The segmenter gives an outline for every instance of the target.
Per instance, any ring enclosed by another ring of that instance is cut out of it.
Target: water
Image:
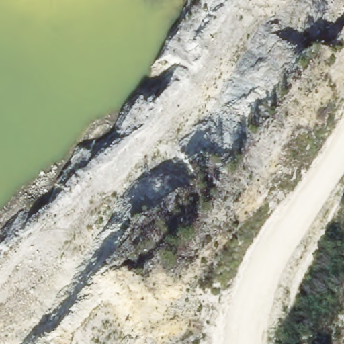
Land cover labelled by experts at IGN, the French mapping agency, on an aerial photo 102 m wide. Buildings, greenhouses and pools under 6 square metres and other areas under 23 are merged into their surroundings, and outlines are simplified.
[[[85,133],[94,122],[117,113],[121,103],[136,89],[142,78],[153,77],[155,54],[173,20],[179,15],[183,0],[0,0],[0,214],[11,210],[13,198],[20,189],[35,184],[40,172],[50,172],[55,165],[58,172],[66,161],[71,163],[71,157],[81,149],[78,142],[87,140]]]

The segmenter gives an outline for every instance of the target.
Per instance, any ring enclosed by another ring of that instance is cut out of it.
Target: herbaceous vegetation
[[[198,219],[193,223],[193,227],[179,228],[173,236],[165,231],[156,245],[149,250],[155,254],[153,258],[145,263],[142,269],[133,270],[134,273],[149,278],[156,265],[163,267],[165,274],[177,267],[188,269],[191,262],[177,261],[173,254],[187,250],[195,235],[204,230],[208,211],[214,207],[212,200],[198,204]]]
[[[301,281],[290,313],[278,320],[275,344],[308,344],[308,340],[301,340],[302,335],[312,333],[312,336],[316,337],[321,332],[331,335],[332,344],[344,344],[344,199],[341,198],[339,211],[318,241],[312,265]]]
[[[282,146],[282,150],[286,152],[284,167],[290,168],[290,173],[282,173],[271,180],[269,189],[294,191],[302,179],[302,169],[310,168],[335,129],[335,114],[344,103],[344,98],[337,95],[335,87],[332,89],[331,99],[327,103],[321,103],[320,109],[317,110],[313,128],[306,125],[294,126],[288,136],[288,144]]]
[[[231,239],[228,239],[223,249],[214,254],[218,265],[214,265],[214,282],[223,284],[236,277],[247,249],[254,238],[257,238],[263,224],[270,218],[269,206],[262,204],[253,212],[251,218],[245,220],[241,230],[236,231]]]

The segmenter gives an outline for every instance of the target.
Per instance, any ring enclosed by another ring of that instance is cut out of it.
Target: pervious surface
[[[271,180],[282,173],[290,173],[290,168],[284,167],[286,152],[282,150],[282,146],[288,144],[288,136],[294,126],[306,125],[313,128],[317,110],[320,109],[321,103],[327,103],[331,99],[332,89],[335,87],[337,95],[344,98],[344,0],[183,0],[179,15],[173,20],[155,54],[153,77],[142,78],[136,89],[121,103],[117,113],[94,122],[85,133],[87,140],[78,142],[81,149],[71,157],[71,163],[66,161],[58,172],[55,165],[50,172],[40,172],[35,184],[20,189],[13,198],[11,210],[0,214],[0,344],[275,344],[278,320],[290,313],[301,281],[312,265],[318,241],[339,211],[341,198],[344,199],[344,103],[335,114],[335,129],[310,168],[302,169],[302,179],[294,191],[269,189]],[[187,250],[173,254],[177,261],[191,262],[188,269],[177,267],[165,274],[163,267],[156,265],[149,278],[134,273],[133,270],[142,269],[145,263],[153,258],[155,254],[149,250],[156,245],[165,231],[173,236],[179,228],[193,227],[193,223],[198,219],[198,204],[212,200],[214,207],[208,211],[204,230],[195,235]],[[251,218],[253,212],[262,204],[269,206],[270,218],[263,224],[257,238],[254,238],[247,249],[236,277],[223,284],[214,282],[214,265],[218,265],[214,254],[223,249],[228,239],[231,239],[236,231],[241,230],[245,220]]]
[[[308,340],[308,344],[332,344],[331,335],[321,332],[316,337],[312,336],[312,333],[302,335],[301,340]]]

